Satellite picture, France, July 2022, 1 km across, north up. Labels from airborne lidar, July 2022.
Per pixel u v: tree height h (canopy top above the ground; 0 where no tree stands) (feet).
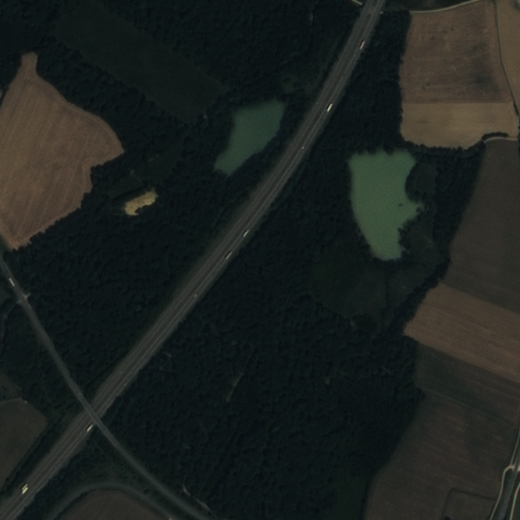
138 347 0
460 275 0
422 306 0
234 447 28
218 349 76
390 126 86
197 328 82
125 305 79
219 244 0
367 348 75
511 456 0
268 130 0
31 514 27
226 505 90
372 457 46
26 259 61
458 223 53
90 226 54
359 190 0
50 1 41
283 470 90
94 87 83
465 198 71
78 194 0
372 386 44
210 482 32
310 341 76
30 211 0
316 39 39
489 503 0
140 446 61
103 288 89
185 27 69
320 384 86
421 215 61
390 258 0
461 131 0
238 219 0
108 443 47
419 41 0
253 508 67
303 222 70
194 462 63
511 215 0
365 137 81
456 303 0
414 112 0
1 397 40
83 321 79
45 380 34
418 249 0
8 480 30
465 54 0
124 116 68
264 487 87
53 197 0
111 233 81
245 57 28
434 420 0
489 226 0
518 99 0
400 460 0
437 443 0
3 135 0
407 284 0
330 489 73
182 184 84
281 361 68
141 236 93
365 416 38
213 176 68
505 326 0
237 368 77
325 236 75
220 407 64
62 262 81
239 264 58
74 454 0
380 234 0
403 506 0
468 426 0
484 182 0
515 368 0
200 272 0
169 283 75
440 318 0
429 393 0
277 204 26
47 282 69
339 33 34
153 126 74
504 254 0
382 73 23
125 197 39
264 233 61
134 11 69
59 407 27
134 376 0
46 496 39
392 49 62
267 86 68
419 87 0
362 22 0
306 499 76
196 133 70
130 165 67
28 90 0
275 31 61
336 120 68
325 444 88
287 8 92
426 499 0
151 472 41
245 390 29
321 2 59
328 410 40
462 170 73
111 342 60
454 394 0
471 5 0
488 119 0
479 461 0
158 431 79
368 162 0
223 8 57
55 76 78
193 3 51
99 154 0
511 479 0
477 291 0
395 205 0
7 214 0
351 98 70
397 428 55
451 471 0
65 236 53
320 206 59
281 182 0
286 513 87
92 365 75
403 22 68
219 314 62
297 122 54
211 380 79
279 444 68
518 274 0
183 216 58
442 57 0
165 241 65
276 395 70
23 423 0
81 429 0
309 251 45
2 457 0
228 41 57
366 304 0
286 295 63
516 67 0
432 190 0
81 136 0
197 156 67
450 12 0
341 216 63
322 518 66
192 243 73
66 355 69
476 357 0
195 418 91
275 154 78
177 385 95
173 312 0
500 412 0
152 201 0
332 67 26
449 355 0
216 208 42
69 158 0
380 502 0
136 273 59
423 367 0
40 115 0
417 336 0
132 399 76
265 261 49
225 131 58
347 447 47
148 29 60
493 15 0
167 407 94
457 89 0
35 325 0
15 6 102
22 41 26
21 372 73
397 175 0
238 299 60
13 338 68
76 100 67
